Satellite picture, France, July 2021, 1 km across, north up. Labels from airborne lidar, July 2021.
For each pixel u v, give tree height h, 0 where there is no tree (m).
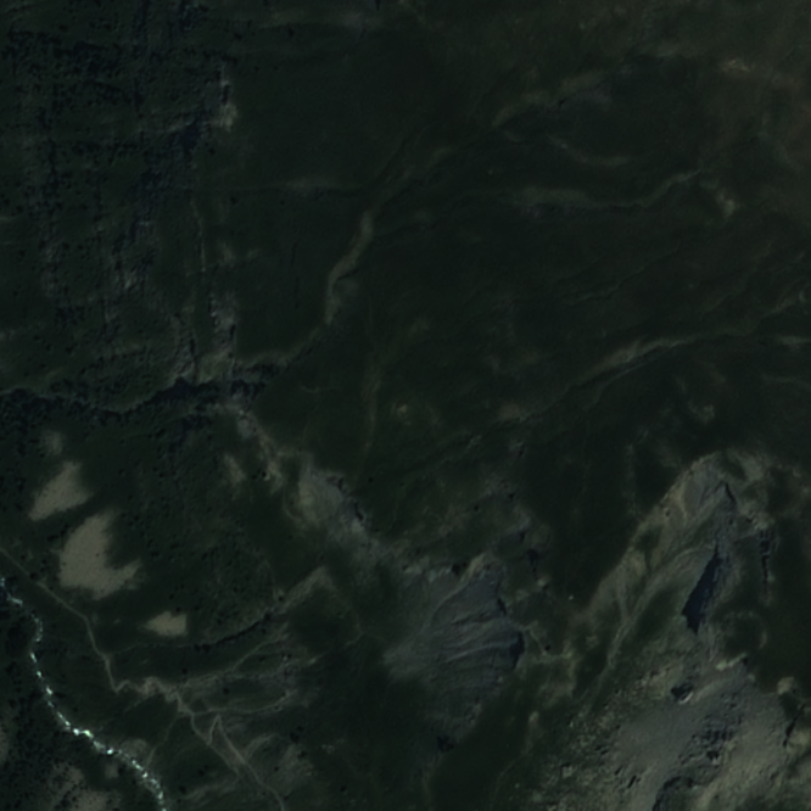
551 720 0
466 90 0
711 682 0
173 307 0
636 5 0
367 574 0
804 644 0
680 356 0
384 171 0
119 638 0
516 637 0
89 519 0
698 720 0
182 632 0
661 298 0
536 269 0
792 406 0
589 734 0
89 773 0
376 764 0
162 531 0
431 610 0
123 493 0
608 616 0
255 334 0
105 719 0
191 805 0
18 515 0
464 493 0
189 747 0
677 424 0
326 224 0
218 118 0
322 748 0
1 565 0
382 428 0
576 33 0
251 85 0
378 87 0
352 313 0
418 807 0
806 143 0
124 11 0
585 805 0
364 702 0
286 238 0
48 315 0
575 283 0
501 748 0
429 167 0
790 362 0
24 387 0
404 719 0
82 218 0
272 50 0
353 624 0
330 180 0
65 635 0
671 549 0
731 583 0
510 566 0
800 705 0
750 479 0
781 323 0
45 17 0
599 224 0
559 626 0
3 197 7
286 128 0
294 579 0
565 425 0
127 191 0
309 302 0
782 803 0
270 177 0
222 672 0
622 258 0
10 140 0
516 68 0
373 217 0
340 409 0
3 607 7
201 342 0
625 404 0
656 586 0
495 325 0
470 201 0
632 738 0
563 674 0
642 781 0
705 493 0
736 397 0
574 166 0
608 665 0
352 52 0
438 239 0
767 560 0
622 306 0
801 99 0
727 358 0
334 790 0
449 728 0
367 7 0
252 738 0
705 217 0
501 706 0
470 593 0
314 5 0
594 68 0
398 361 0
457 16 0
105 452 0
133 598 0
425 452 0
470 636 0
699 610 0
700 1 0
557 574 0
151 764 0
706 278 0
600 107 0
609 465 0
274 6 0
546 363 0
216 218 0
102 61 14
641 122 0
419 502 0
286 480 0
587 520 0
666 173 0
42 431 0
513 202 0
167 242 0
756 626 0
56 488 0
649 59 0
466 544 0
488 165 0
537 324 0
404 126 0
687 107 0
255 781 0
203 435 0
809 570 0
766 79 0
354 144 0
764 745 0
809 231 0
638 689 0
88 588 0
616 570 0
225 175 0
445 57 0
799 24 0
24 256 10
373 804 0
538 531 0
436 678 0
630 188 0
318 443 0
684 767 0
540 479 0
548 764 0
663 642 0
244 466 0
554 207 0
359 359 0
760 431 0
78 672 0
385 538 0
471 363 0
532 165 0
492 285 0
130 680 0
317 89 0
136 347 0
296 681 0
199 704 0
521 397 0
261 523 0
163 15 0
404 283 0
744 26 0
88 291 0
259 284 0
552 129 0
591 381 0
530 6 0
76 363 0
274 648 0
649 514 0
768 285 0
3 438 7
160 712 0
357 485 0
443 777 0
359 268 0
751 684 0
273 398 0
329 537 0
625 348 0
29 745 14
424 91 0
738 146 0
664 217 0
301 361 0
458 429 0
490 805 0
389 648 0
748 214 0
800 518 0
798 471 0
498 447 0
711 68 0
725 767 0
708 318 0
